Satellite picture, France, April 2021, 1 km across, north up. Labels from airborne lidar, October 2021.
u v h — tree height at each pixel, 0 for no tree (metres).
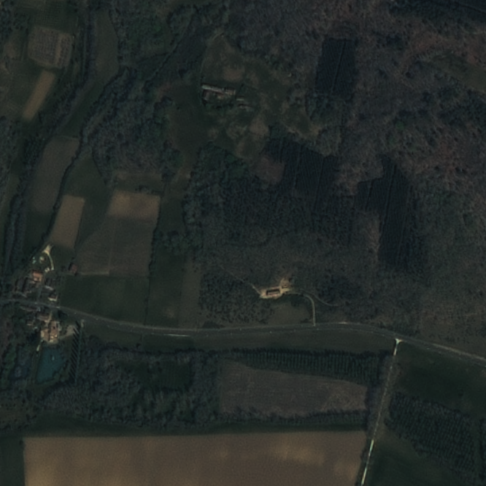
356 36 9
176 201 0
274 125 7
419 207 20
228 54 0
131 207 0
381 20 6
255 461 0
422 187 18
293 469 0
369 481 0
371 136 13
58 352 12
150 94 22
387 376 32
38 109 0
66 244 0
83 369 19
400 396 11
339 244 20
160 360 21
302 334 0
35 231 0
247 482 0
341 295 14
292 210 19
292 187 12
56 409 30
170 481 0
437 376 0
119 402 24
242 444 0
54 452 0
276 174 0
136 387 11
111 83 10
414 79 20
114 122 16
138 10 19
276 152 10
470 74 0
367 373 26
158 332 0
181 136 0
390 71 12
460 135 11
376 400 36
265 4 11
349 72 11
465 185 15
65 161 0
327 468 0
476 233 14
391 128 11
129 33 19
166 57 9
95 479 0
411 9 14
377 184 12
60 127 12
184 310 0
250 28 15
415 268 19
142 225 0
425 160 14
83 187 0
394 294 23
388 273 17
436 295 15
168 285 0
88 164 0
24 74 0
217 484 0
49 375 0
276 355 23
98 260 0
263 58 14
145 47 15
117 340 0
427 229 19
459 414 15
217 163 11
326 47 11
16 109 0
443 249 20
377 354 0
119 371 12
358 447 0
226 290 9
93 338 11
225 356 17
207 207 25
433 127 18
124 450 0
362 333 0
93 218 0
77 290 0
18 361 14
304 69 15
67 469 0
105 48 0
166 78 7
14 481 0
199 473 0
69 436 0
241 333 0
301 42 18
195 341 0
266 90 0
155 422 16
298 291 8
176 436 0
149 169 13
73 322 0
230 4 8
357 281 15
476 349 0
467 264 18
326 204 10
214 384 23
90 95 0
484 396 0
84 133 16
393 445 0
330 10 7
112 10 16
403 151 10
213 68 0
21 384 20
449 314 13
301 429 0
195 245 18
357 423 20
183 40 6
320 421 20
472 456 20
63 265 0
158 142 24
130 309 0
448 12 23
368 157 15
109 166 20
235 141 0
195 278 0
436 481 0
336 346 0
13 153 17
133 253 0
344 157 7
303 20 15
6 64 20
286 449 0
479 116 22
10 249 17
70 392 30
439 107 12
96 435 0
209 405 11
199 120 0
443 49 11
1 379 15
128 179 0
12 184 0
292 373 18
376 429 35
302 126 0
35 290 8
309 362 26
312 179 12
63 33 0
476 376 0
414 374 0
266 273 14
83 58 21
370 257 17
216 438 0
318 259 12
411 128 18
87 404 26
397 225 12
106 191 0
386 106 11
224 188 23
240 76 0
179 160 26
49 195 0
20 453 0
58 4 0
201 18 20
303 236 17
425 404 12
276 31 10
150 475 0
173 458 0
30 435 0
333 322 0
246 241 17
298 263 16
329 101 14
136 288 0
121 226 0
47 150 0
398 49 22
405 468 0
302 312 0
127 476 0
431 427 23
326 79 12
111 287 0
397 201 12
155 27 20
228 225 19
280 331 0
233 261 15
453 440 22
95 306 0
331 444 0
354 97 14
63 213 0
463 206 11
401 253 9
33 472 0
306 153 11
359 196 11
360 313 14
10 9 24
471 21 8
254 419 14
